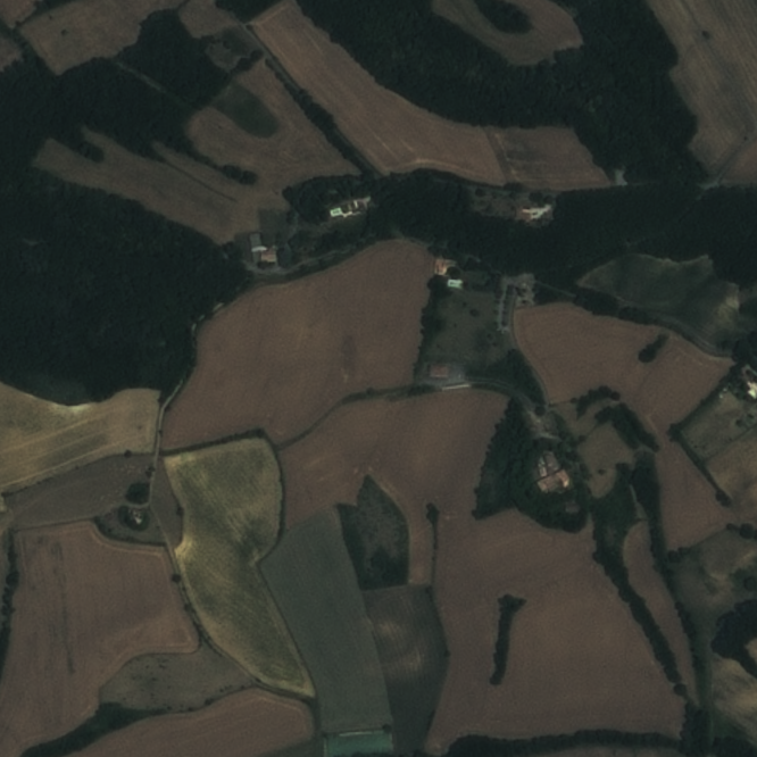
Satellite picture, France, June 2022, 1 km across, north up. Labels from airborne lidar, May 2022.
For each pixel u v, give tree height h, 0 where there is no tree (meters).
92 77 15
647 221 15
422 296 0
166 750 0
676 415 0
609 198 15
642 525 0
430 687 0
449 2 0
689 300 0
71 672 0
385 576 8
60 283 13
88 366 12
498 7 10
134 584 0
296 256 14
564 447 12
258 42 0
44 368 11
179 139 17
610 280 0
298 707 0
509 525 0
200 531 0
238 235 0
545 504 14
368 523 0
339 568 0
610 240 16
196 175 0
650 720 0
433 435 0
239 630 0
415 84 14
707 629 0
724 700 0
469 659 0
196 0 0
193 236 16
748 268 13
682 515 0
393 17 16
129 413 0
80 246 16
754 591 15
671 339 0
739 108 0
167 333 16
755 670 10
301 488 0
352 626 0
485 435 0
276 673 0
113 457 0
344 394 0
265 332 0
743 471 0
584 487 8
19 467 0
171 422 0
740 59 0
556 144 0
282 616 0
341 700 0
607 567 9
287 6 0
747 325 0
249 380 0
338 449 0
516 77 24
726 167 0
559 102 21
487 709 0
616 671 0
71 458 0
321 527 0
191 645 0
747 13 0
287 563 0
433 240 12
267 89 0
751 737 0
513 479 14
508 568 0
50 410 0
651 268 0
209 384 0
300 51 0
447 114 13
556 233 15
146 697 0
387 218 19
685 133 12
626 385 0
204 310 16
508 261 19
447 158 0
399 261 0
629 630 0
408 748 0
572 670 0
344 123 0
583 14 13
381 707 0
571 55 18
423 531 0
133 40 0
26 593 0
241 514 0
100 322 15
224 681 0
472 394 0
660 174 12
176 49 16
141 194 0
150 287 15
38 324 16
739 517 0
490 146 0
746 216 17
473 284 8
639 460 17
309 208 15
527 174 0
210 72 16
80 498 0
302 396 0
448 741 0
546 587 0
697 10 0
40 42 0
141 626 0
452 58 20
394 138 0
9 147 22
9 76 19
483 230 18
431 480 0
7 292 15
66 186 18
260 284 0
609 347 0
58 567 0
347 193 17
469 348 0
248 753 0
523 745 11
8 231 13
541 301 14
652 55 10
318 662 0
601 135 15
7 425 0
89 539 0
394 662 0
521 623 0
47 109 22
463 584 0
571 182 0
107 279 12
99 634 0
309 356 0
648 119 15
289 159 0
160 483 0
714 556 0
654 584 0
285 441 0
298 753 0
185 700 0
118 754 0
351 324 0
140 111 16
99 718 7
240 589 0
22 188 21
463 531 0
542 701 0
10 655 0
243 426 0
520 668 0
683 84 0
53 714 0
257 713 0
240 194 0
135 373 10
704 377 0
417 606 0
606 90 16
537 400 10
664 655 16
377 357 0
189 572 0
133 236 19
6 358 16
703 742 19
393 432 0
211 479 0
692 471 0
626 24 12
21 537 0
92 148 17
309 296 0
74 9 0
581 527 13
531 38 0
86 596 0
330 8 19
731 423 0
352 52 13
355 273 0
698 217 19
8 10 0
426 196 17
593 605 0
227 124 0
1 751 0
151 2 0
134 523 8
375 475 0
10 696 0
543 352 0
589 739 18
